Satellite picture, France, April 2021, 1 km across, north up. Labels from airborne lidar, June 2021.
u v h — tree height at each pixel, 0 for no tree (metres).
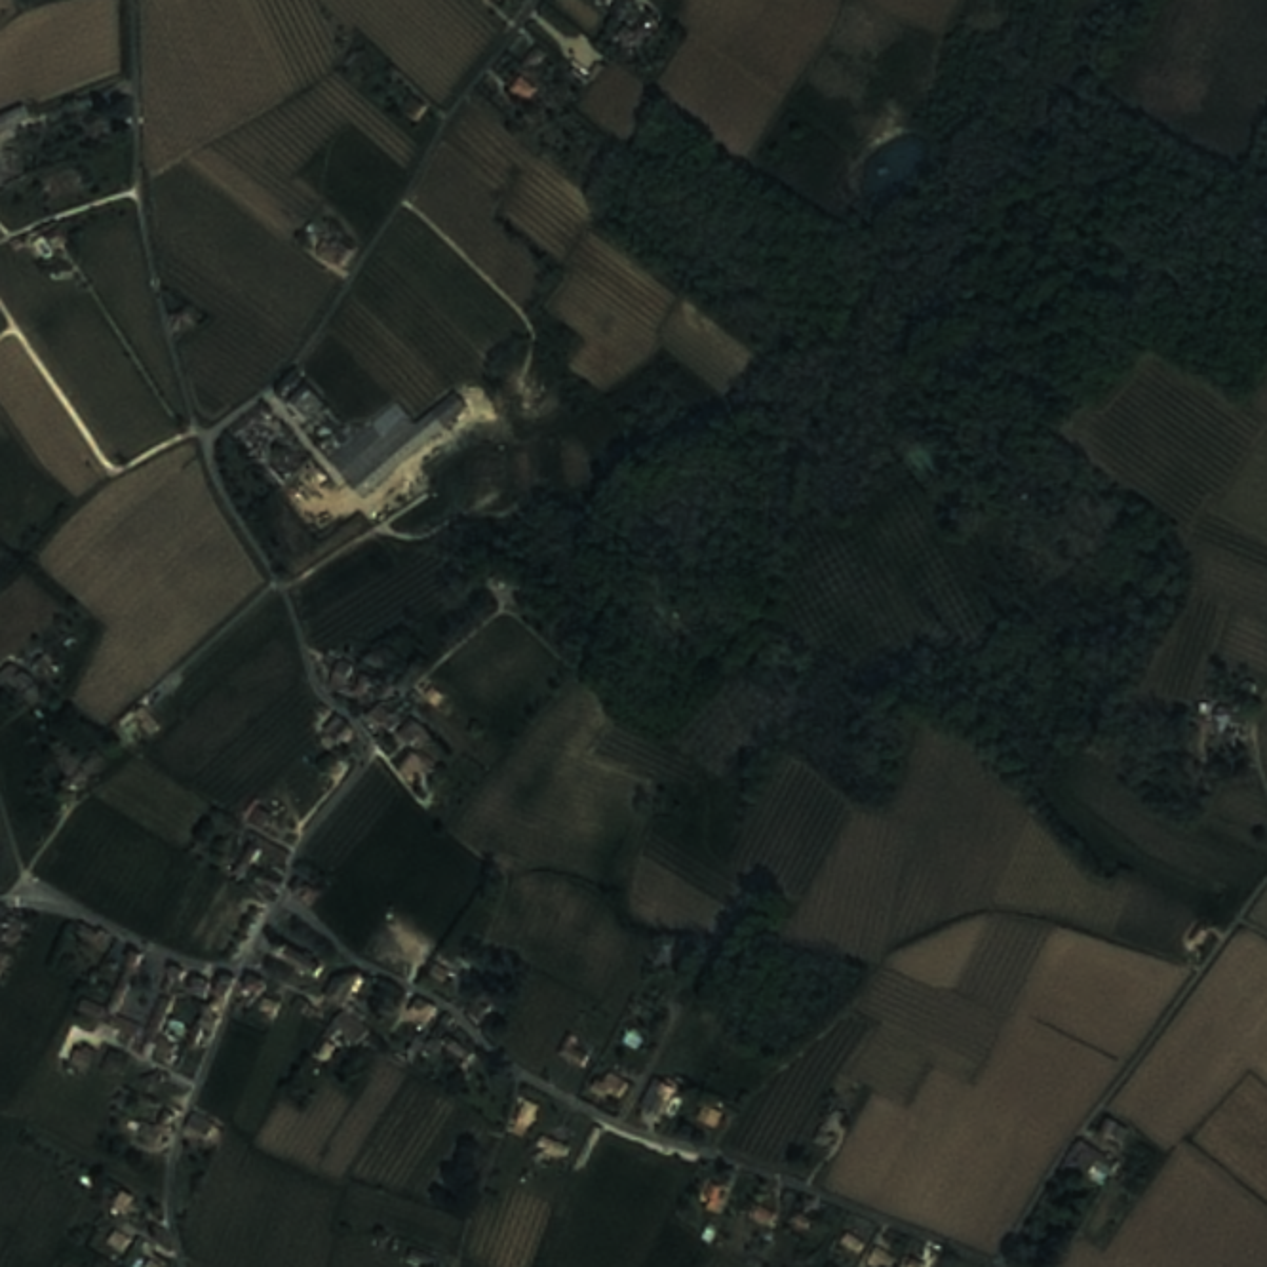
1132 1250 0
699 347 0
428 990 8
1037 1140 0
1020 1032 0
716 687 26
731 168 20
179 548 0
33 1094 0
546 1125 0
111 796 0
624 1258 0
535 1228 0
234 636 0
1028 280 19
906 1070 0
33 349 0
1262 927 0
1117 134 18
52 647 9
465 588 17
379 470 0
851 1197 0
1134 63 0
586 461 0
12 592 0
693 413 7
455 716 0
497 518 0
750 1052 15
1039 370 16
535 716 12
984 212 23
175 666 0
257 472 6
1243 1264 0
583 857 0
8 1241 0
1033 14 13
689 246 20
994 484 24
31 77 0
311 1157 0
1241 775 9
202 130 0
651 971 9
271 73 0
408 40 0
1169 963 0
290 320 0
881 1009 0
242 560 0
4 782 0
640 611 12
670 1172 0
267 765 0
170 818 0
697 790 0
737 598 22
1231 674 11
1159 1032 0
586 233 0
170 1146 0
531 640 0
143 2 0
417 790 6
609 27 6
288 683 0
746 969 25
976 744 15
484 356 0
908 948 0
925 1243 0
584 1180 0
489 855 0
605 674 20
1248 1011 0
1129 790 13
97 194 8
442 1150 0
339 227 7
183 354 0
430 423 0
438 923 0
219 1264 0
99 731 9
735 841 0
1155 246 19
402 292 0
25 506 0
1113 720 24
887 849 0
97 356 0
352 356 0
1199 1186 0
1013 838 0
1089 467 18
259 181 0
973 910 0
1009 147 24
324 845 0
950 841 0
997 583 11
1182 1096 0
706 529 13
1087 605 14
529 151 0
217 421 0
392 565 0
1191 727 19
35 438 0
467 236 0
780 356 16
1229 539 0
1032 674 12
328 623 0
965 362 17
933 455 14
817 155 6
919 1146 0
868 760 21
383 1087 0
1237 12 0
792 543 25
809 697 19
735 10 0
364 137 0
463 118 0
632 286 0
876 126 0
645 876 0
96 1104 0
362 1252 0
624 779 0
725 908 0
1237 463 0
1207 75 0
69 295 0
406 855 0
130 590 0
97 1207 12
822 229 19
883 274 19
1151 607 11
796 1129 0
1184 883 0
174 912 0
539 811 0
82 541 0
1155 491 0
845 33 0
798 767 0
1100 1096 0
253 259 0
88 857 0
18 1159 0
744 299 23
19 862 0
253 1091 0
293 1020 0
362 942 0
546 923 0
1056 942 0
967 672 10
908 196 18
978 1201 0
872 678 13
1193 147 15
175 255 0
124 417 0
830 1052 0
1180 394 0
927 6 0
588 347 0
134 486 0
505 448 0
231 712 0
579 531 22
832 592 23
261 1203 0
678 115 22
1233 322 20
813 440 15
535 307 12
